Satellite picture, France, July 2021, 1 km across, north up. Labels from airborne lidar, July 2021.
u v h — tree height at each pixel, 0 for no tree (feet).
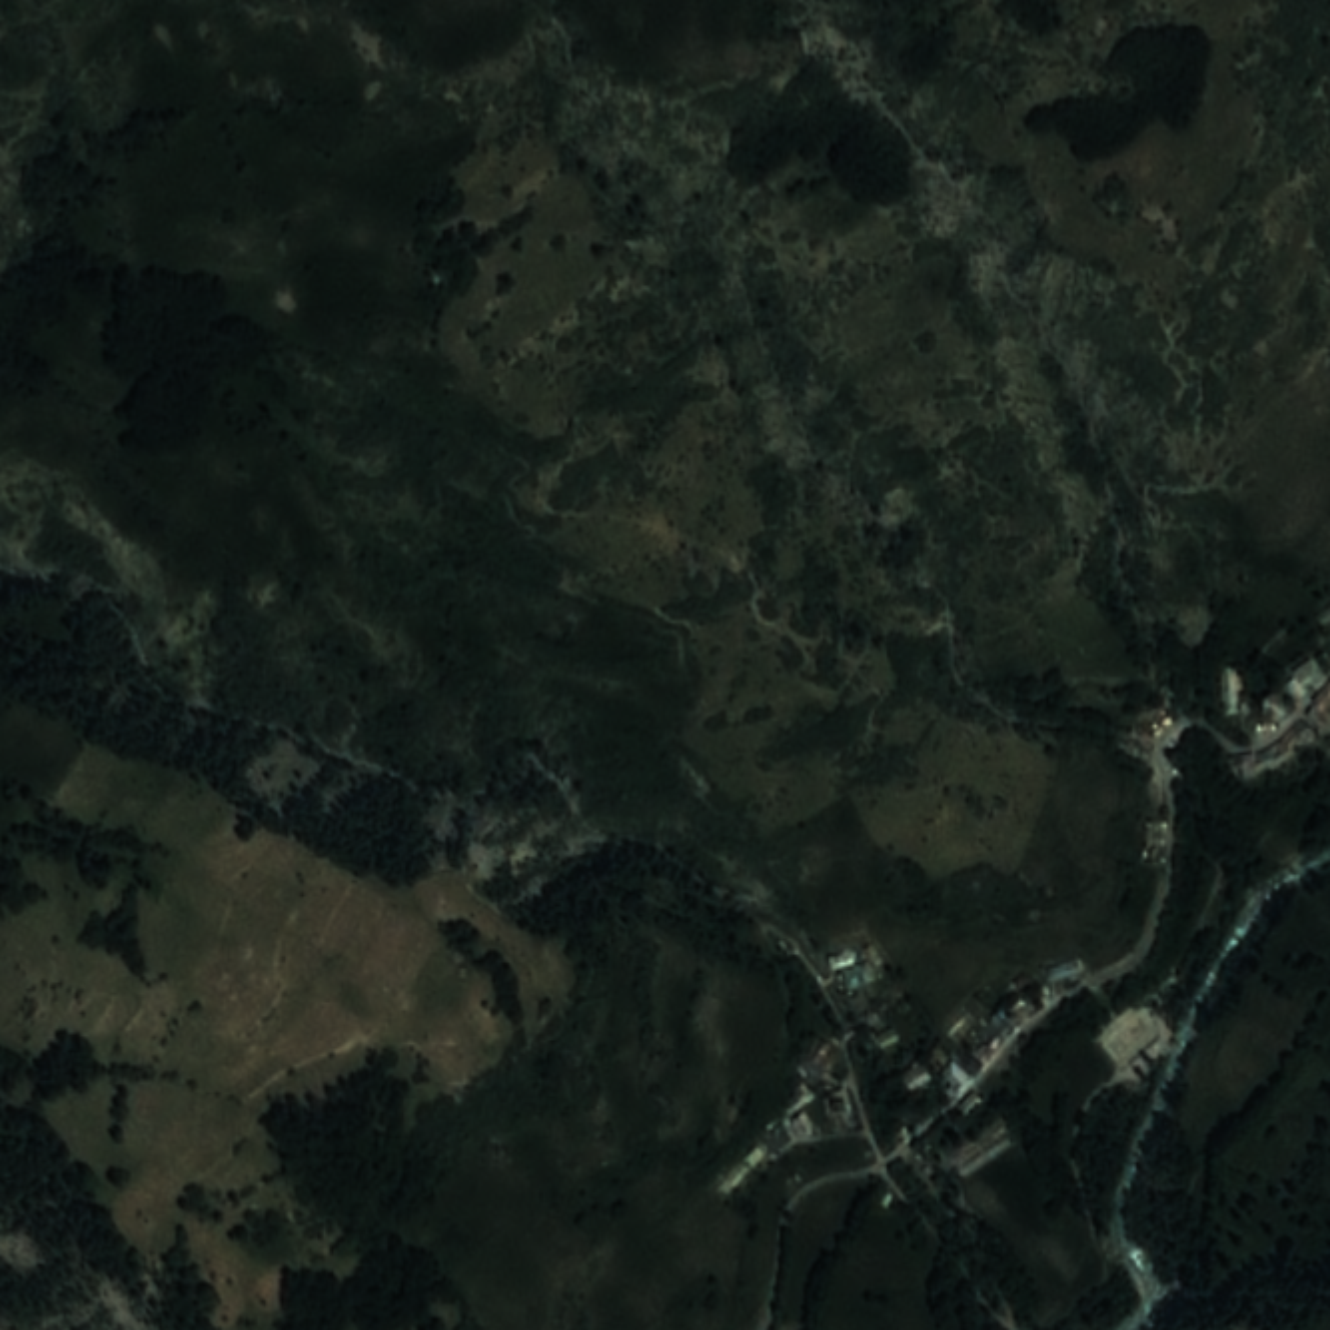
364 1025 0
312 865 0
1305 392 0
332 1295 73
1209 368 0
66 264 78
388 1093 46
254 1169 0
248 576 0
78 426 0
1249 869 44
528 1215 0
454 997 0
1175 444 0
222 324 55
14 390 67
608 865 68
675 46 0
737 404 0
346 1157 53
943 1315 62
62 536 22
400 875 62
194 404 75
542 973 0
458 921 31
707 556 0
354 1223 33
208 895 0
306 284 0
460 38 0
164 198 0
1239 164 0
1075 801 0
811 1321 39
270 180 0
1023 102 0
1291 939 0
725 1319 0
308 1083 0
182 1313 35
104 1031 0
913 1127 28
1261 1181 25
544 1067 39
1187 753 56
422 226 21
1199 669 38
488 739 33
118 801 0
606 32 0
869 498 20
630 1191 0
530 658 0
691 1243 0
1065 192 0
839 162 60
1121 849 0
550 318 0
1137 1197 29
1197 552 0
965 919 0
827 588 27
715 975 0
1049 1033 27
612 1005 0
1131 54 55
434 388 0
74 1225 89
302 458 27
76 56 0
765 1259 0
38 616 0
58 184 70
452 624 21
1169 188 0
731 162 33
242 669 20
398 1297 81
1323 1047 22
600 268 0
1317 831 46
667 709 0
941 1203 23
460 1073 0
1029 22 41
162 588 0
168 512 0
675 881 29
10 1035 0
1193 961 30
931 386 0
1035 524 0
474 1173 0
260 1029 0
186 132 0
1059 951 0
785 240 0
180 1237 31
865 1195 52
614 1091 0
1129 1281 28
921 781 0
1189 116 49
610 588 0
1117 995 48
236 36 0
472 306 0
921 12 39
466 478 0
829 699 0
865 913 0
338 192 0
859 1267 0
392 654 0
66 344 0
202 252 0
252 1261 0
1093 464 21
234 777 65
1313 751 23
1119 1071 0
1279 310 0
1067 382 24
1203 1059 0
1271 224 0
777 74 0
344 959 0
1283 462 0
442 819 0
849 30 27
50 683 38
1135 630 25
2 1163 81
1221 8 0
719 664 0
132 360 64
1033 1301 42
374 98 0
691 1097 0
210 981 0
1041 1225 0
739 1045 0
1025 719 25
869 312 0
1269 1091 41
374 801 70
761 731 0
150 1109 0
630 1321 0
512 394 0
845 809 0
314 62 0
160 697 28
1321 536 0
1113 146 64
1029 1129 47
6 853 25
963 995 0
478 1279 0
